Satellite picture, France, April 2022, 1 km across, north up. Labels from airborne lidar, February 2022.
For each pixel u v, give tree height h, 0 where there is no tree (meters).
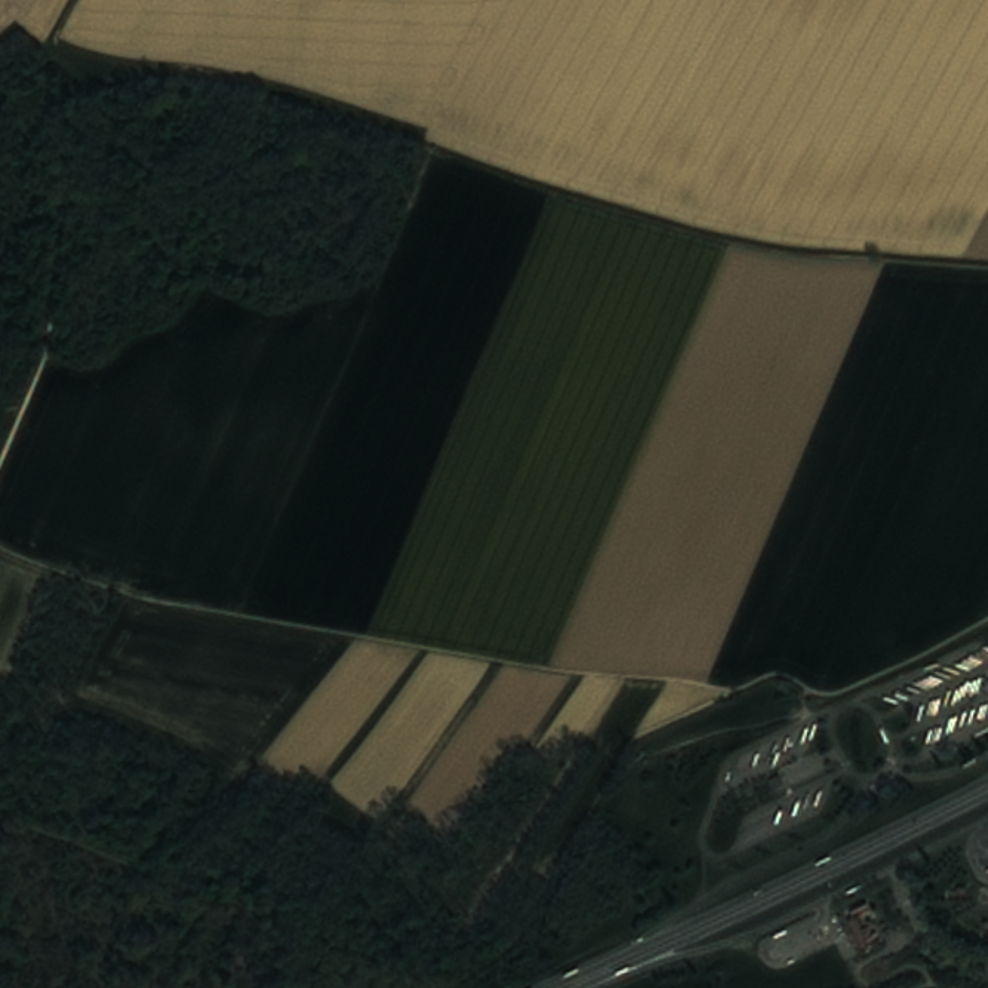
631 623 0
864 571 0
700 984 0
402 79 0
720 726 0
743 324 0
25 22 0
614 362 0
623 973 0
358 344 0
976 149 0
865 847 0
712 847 0
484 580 0
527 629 0
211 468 0
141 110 23
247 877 22
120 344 13
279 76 0
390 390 0
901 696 0
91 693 0
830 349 0
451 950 34
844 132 0
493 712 0
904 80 0
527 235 0
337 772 0
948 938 21
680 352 0
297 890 31
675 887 5
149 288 22
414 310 0
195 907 33
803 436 0
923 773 0
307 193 28
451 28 0
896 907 6
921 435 0
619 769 16
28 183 18
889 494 0
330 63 0
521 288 0
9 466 0
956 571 0
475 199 0
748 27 0
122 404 0
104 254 29
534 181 0
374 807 0
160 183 30
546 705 0
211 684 0
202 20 0
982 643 0
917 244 0
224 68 0
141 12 0
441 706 0
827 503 0
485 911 10
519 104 0
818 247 0
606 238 0
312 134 27
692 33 0
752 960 0
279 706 0
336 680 0
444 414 0
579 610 0
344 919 29
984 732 0
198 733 0
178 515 0
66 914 13
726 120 0
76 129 29
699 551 0
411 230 0
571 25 0
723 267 0
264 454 0
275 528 0
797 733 0
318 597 0
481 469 0
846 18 0
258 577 0
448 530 0
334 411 0
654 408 0
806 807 0
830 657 0
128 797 29
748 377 0
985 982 11
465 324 0
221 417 0
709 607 0
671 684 0
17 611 0
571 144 0
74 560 0
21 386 21
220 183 29
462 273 0
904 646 0
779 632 0
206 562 0
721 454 0
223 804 19
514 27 0
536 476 0
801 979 0
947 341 0
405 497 0
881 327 0
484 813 31
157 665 0
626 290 0
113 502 0
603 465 0
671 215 0
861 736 0
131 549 0
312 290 22
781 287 0
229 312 0
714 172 0
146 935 34
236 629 0
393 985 29
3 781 27
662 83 0
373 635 0
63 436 0
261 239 28
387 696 0
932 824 0
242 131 28
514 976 10
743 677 0
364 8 0
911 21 0
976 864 0
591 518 0
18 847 32
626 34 0
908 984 13
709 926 0
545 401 0
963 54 0
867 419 0
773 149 0
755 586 0
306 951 28
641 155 0
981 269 0
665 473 0
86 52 0
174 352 0
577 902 18
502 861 12
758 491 0
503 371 0
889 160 0
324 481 0
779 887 0
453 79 0
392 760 0
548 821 16
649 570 0
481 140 0
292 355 0
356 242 28
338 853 31
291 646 0
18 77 19
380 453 0
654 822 0
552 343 0
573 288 0
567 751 17
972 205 0
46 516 0
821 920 0
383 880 26
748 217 0
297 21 0
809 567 0
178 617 0
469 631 0
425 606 0
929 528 0
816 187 0
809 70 0
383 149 29
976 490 0
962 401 0
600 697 0
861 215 0
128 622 0
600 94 0
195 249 27
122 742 30
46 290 21
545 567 0
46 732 31
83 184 28
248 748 0
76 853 13
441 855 33
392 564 0
